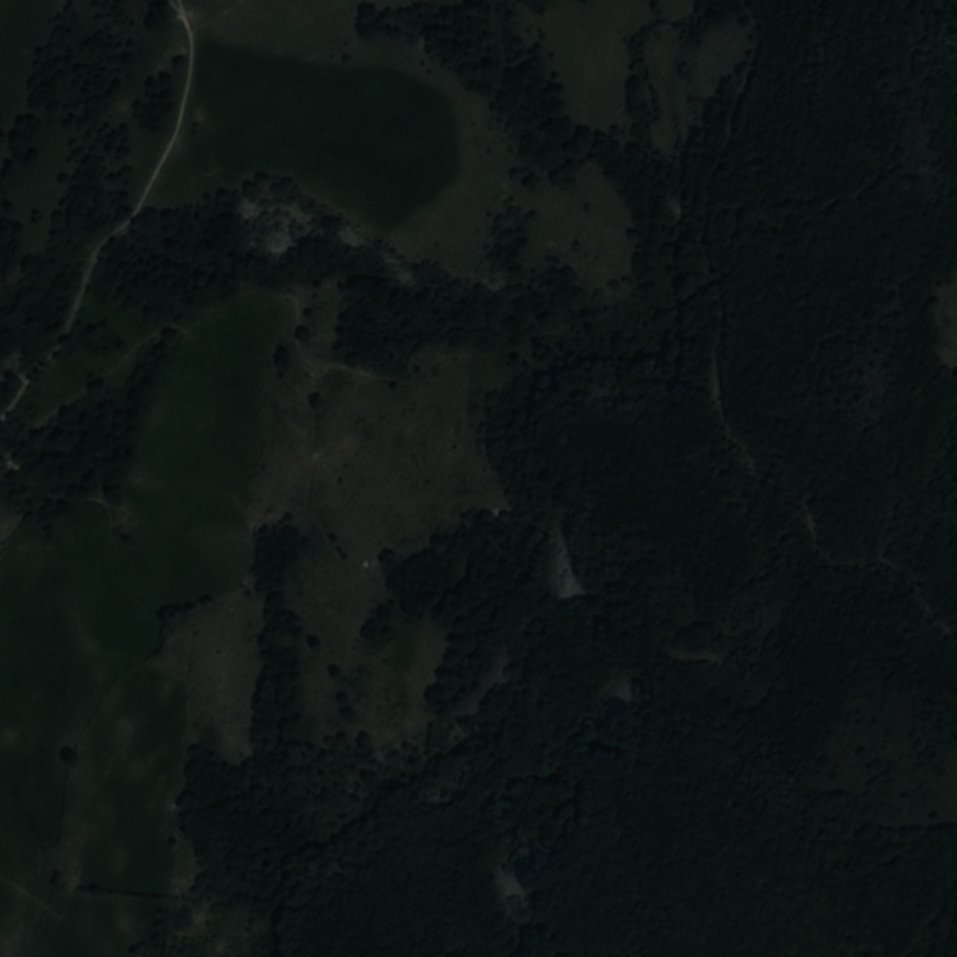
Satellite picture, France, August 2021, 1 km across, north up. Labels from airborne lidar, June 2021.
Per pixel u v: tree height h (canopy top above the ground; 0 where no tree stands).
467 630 10
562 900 17
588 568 10
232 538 0
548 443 20
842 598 10
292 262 18
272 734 25
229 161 0
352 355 10
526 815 20
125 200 13
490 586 16
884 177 10
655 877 10
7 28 0
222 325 0
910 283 10
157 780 0
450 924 17
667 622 10
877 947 12
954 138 8
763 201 13
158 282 11
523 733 16
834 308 8
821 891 12
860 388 6
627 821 19
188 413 0
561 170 15
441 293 13
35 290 18
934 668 12
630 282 10
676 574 7
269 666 14
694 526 10
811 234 8
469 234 0
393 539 0
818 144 10
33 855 0
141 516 0
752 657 12
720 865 9
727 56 0
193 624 0
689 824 10
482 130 0
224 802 17
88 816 0
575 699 16
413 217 0
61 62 7
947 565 13
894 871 13
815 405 10
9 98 0
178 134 0
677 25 7
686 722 9
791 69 13
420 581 10
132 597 0
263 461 0
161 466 0
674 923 12
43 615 0
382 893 17
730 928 9
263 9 0
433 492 0
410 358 7
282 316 0
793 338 10
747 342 13
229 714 0
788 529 11
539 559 19
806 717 9
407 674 0
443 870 18
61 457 20
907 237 9
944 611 9
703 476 11
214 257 5
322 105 0
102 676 0
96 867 0
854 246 11
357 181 0
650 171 17
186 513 0
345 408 0
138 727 0
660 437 11
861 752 7
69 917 0
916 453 13
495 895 15
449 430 0
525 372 11
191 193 0
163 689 0
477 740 17
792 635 12
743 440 7
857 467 10
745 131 11
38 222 12
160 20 16
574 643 21
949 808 0
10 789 0
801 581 12
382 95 0
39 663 0
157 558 0
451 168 0
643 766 18
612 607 23
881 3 13
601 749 15
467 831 20
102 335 7
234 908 14
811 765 7
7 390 15
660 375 11
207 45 0
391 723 0
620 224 0
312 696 0
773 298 13
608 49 0
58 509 12
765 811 11
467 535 15
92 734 0
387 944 12
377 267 6
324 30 0
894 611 11
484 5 11
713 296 14
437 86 0
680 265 18
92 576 0
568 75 0
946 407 14
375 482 0
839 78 13
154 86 14
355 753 5
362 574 0
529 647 14
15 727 0
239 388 0
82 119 7
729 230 12
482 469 0
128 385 6
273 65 0
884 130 12
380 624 8
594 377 7
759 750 6
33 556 0
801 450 11
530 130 9
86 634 0
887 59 11
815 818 6
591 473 10
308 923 18
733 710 9
